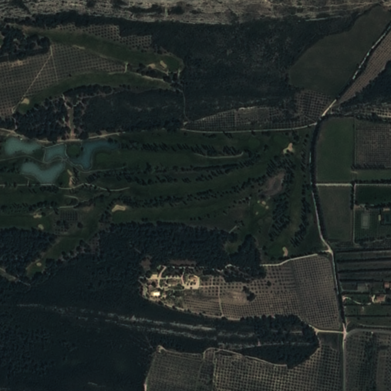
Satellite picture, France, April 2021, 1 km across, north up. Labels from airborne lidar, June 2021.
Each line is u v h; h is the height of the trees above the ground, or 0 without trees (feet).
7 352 50
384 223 20
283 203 26
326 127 0
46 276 42
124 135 0
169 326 0
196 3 0
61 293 18
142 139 0
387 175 0
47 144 0
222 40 0
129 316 0
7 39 50
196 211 0
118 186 0
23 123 37
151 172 61
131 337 18
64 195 0
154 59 0
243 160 0
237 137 0
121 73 0
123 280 44
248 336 0
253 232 0
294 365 44
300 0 0
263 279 54
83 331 18
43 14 20
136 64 0
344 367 0
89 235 0
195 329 0
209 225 0
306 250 0
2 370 26
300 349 18
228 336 0
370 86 22
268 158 0
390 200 0
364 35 0
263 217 0
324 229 47
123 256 22
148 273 35
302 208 0
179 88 54
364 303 20
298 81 0
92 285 45
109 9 0
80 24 22
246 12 0
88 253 33
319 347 46
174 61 0
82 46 0
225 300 0
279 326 41
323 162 0
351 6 0
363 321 0
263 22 0
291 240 0
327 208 0
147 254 35
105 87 22
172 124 42
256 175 0
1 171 31
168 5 0
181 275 21
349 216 0
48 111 34
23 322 19
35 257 49
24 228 0
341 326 0
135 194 0
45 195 0
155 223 0
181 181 0
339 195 0
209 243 43
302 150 0
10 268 51
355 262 30
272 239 59
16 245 47
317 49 0
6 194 0
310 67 0
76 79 0
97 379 0
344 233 0
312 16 0
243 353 21
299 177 0
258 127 0
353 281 37
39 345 21
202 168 28
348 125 0
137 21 21
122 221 0
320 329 0
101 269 37
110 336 21
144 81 0
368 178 0
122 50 0
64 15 24
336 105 0
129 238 35
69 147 0
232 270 32
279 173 34
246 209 0
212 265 42
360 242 26
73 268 22
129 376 20
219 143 0
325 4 0
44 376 19
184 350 33
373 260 33
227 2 0
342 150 0
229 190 0
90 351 17
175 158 0
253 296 51
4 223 0
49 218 0
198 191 0
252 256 55
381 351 0
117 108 0
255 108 0
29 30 0
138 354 20
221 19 0
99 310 0
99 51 0
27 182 0
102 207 0
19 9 0
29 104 0
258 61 17
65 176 0
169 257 41
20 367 35
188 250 41
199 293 0
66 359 32
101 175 34
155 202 37
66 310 19
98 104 0
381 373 0
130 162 0
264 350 17
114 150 0
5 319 47
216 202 0
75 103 0
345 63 0
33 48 25
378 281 19
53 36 0
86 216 0
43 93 0
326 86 0
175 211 0
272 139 0
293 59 23
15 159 0
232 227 0
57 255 0
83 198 0
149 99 0
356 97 24
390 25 33
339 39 0
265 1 0
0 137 0
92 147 0
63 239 0
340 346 0
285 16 0
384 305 22
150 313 0
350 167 0
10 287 46
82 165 0
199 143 0
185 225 32
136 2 0
